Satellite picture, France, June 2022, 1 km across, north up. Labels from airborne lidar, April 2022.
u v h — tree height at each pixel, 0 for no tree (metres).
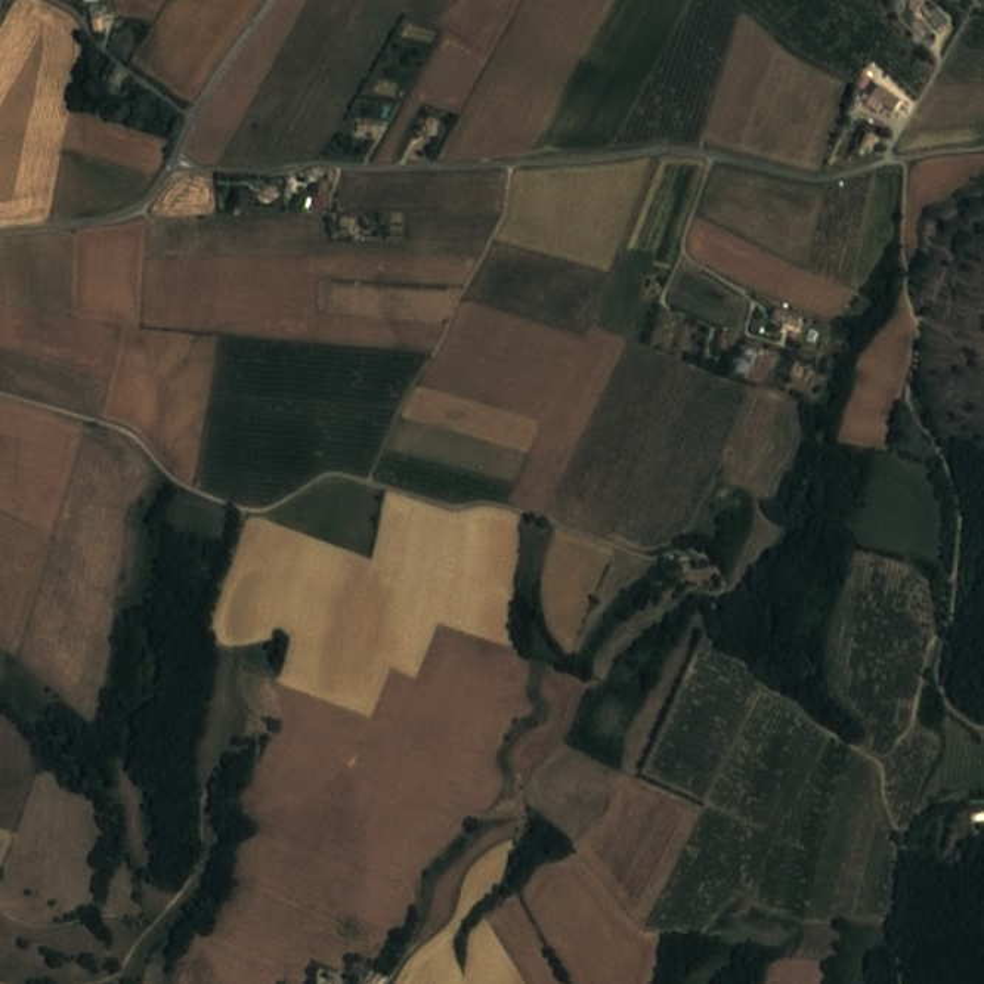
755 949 15
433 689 0
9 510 0
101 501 0
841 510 9
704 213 0
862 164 0
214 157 0
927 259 14
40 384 0
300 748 0
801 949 0
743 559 0
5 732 0
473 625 0
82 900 0
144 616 14
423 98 0
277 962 0
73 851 0
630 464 0
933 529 0
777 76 0
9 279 0
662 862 0
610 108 0
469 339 0
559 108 0
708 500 0
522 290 0
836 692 0
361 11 0
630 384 0
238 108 0
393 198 0
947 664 12
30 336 0
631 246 0
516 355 0
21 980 0
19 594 0
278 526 0
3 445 0
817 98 0
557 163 0
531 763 0
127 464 0
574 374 0
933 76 0
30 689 0
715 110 0
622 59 0
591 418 0
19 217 0
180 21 0
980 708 13
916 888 18
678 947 14
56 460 0
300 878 0
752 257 0
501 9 0
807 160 0
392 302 0
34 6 0
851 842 0
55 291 0
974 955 7
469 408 0
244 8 0
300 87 0
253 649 0
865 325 10
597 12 0
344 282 0
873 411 0
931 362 0
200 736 19
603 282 0
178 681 8
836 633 0
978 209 17
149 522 13
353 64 0
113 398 0
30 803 0
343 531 0
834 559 10
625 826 0
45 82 0
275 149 0
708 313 0
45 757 12
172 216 0
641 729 0
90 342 0
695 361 17
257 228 0
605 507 0
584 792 0
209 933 15
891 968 18
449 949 0
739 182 0
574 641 0
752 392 0
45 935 0
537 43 0
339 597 0
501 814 0
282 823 0
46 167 0
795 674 22
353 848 0
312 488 0
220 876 15
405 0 0
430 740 0
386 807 0
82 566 0
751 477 0
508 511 0
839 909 0
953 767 0
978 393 0
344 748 0
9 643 0
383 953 7
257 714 0
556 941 0
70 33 0
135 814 0
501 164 0
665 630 14
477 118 0
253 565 0
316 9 0
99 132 0
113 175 0
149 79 6
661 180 0
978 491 15
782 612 14
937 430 15
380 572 0
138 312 0
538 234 0
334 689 0
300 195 7
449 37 0
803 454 12
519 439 0
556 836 13
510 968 0
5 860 0
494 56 0
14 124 0
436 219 0
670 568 7
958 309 0
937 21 0
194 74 0
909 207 0
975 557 7
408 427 0
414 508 0
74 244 0
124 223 0
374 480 0
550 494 0
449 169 0
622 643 0
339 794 0
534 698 0
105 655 0
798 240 0
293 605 0
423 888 0
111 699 11
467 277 0
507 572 0
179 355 0
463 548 0
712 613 15
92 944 0
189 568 10
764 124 0
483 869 0
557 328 0
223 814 19
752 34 0
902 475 0
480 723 0
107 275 0
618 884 0
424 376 0
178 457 0
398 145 0
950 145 0
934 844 7
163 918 0
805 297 0
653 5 0
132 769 18
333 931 0
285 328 0
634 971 0
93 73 15
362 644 0
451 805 0
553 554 0
